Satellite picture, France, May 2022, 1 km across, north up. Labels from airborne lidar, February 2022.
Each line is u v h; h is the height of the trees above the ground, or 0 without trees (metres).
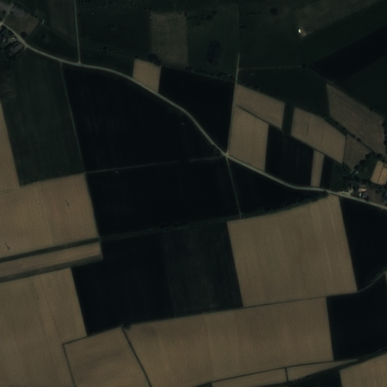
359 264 0
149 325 0
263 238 0
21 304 0
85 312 0
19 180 0
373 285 0
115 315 0
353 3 0
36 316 0
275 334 0
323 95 0
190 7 0
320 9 0
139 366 0
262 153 0
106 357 0
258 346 0
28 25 0
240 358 0
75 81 0
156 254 0
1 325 0
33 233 0
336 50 0
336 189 0
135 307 0
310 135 0
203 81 0
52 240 0
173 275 0
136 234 0
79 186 0
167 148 0
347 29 0
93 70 0
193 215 0
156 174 0
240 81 0
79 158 0
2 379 0
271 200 0
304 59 0
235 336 0
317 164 0
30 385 0
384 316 0
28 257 0
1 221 0
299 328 0
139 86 0
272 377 0
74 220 0
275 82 0
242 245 0
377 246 0
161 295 0
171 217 0
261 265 0
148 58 0
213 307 0
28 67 0
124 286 0
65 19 0
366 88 0
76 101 0
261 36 0
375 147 0
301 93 0
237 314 0
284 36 0
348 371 0
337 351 0
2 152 0
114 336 0
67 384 0
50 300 0
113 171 0
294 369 0
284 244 0
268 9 0
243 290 0
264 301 0
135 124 0
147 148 0
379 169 0
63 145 0
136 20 0
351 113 0
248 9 0
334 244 0
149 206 0
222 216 0
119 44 0
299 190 0
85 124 0
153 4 0
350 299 0
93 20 0
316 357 0
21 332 0
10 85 0
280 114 0
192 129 0
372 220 0
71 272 0
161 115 0
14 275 0
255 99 0
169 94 0
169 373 0
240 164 0
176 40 0
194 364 0
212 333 0
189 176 0
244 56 0
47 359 0
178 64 0
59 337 0
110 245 0
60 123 0
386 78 0
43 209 0
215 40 0
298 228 0
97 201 0
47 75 0
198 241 0
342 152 0
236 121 0
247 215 0
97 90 0
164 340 0
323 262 0
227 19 0
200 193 0
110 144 0
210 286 0
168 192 0
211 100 0
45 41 9
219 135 0
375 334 0
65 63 0
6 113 0
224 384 0
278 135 0
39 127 0
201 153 0
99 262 0
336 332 0
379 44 0
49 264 0
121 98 0
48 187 0
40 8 0
